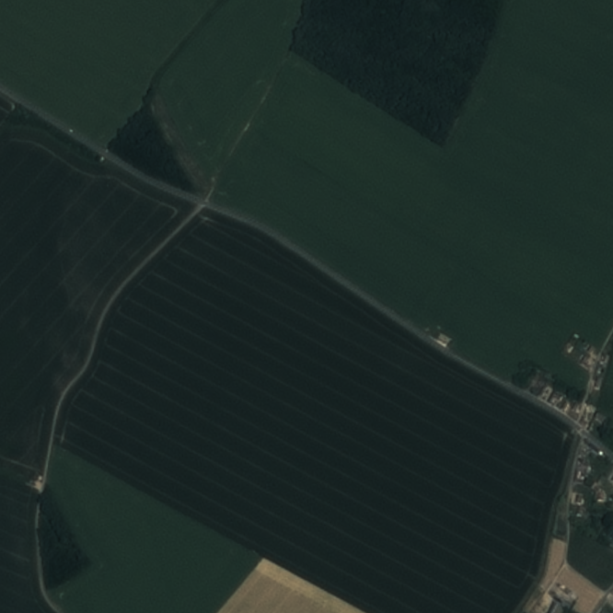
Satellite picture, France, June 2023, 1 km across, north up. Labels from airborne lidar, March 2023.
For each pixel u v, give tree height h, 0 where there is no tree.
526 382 7
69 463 0
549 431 0
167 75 0
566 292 0
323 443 0
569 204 0
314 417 0
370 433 0
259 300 0
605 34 0
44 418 0
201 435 0
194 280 0
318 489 0
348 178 0
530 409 0
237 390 0
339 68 13
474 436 0
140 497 0
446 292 0
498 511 0
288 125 0
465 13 13
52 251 0
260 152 0
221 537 0
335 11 13
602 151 0
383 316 0
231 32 0
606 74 0
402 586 0
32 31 0
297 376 0
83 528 0
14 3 0
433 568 0
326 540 0
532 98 0
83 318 0
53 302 0
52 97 0
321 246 0
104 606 0
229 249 0
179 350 0
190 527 0
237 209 0
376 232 0
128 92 0
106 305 0
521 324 0
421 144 0
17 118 7
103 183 0
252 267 0
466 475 0
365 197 0
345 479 0
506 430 0
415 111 13
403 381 0
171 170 14
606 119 0
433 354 0
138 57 0
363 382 0
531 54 0
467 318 0
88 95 0
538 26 0
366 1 8
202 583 0
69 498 0
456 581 0
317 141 0
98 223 0
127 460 0
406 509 0
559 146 0
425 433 0
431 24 21
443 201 0
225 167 0
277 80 0
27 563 0
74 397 0
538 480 0
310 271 0
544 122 0
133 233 0
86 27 0
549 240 0
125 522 0
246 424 0
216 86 0
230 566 0
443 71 20
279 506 0
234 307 0
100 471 0
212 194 0
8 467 0
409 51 23
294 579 0
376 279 0
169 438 0
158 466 0
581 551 0
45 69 0
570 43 0
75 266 0
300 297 0
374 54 18
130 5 0
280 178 0
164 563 0
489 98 0
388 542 0
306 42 18
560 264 0
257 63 0
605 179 0
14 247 0
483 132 0
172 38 0
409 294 0
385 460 0
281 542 0
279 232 0
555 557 0
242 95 0
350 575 0
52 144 0
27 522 0
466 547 0
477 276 0
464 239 0
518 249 0
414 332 0
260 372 0
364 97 13
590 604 0
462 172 0
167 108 0
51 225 0
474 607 0
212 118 0
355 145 0
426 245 0
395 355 0
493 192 0
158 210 0
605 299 0
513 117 0
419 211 0
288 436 0
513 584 0
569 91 0
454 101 19
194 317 0
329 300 0
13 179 0
